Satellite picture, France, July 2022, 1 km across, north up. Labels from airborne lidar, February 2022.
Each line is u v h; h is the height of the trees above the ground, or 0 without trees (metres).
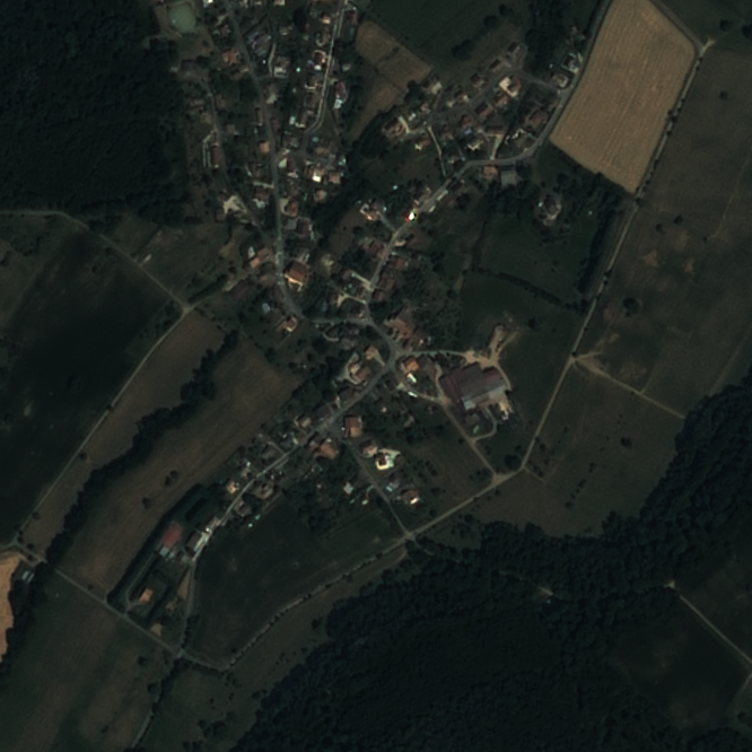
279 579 0
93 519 0
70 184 6
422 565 17
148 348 0
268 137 0
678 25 0
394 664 13
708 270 0
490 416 0
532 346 0
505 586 27
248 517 8
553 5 10
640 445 0
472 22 0
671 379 0
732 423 29
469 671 15
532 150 0
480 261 0
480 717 20
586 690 22
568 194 6
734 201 0
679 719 0
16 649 17
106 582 0
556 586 19
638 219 0
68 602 0
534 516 0
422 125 0
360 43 0
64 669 0
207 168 0
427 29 0
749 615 0
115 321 0
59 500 0
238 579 0
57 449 0
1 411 0
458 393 0
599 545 23
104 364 0
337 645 12
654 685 0
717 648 0
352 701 12
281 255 0
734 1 0
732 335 0
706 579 0
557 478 0
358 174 8
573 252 0
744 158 0
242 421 0
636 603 28
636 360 0
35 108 16
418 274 5
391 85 0
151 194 18
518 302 0
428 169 0
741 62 0
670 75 0
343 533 0
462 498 0
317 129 0
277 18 0
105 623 0
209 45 8
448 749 17
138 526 0
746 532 0
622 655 0
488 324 0
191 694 0
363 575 0
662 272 0
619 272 0
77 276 0
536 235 0
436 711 23
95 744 0
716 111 0
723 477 26
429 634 11
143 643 0
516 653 14
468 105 0
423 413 0
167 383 0
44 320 0
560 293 0
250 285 7
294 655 7
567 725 18
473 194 0
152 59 22
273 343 0
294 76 0
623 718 21
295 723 19
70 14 25
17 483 0
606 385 0
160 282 0
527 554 18
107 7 19
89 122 8
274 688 0
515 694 23
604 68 0
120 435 0
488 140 0
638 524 20
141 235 0
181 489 0
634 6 0
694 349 0
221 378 0
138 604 0
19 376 0
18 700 0
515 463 18
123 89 8
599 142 0
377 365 0
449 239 0
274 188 0
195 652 0
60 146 7
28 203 18
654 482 0
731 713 0
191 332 0
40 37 26
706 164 0
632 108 0
